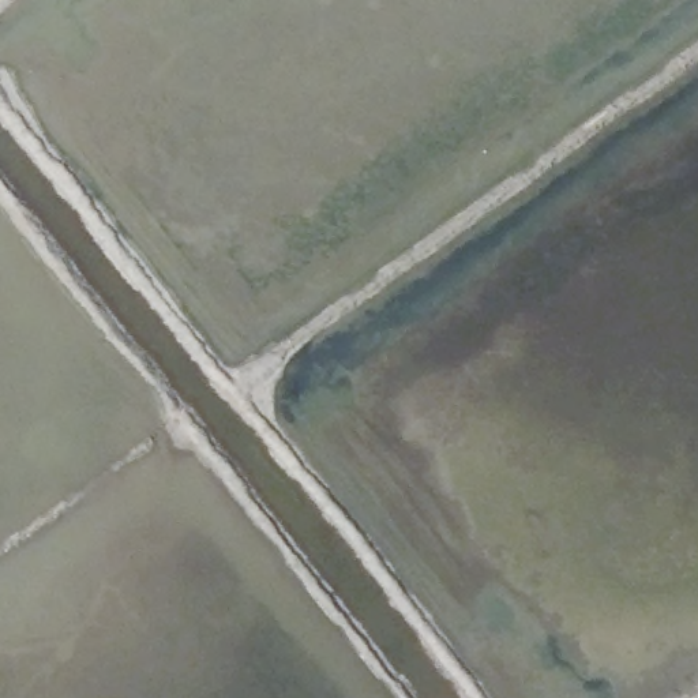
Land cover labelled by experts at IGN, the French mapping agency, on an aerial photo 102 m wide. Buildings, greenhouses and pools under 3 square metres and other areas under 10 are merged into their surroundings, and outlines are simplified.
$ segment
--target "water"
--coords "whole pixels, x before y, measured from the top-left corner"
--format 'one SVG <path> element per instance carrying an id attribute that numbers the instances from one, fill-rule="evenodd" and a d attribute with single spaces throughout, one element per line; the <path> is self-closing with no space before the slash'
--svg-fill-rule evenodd
<path id="1" fill-rule="evenodd" d="M 147 450 L 147 453 L 142 453 L 139 458 L 134 458 L 134 461 L 131 461 L 131 464 L 128 464 L 125 469 L 120 469 L 120 472 L 112 472 L 112 464 L 115 464 L 115 461 L 117 461 L 120 455 L 125 455 L 125 453 L 128 453 L 128 450 L 131 450 L 134 444 L 139 444 L 139 442 L 150 442 L 150 450 Z M 68 494 L 82 494 L 82 502 L 76 507 L 60 513 L 52 524 L 41 526 L 30 540 L 16 543 L 0 559 L 0 698 L 395 698 L 357 657 L 354 646 L 338 630 L 338 624 L 333 624 L 324 616 L 314 597 L 303 589 L 297 575 L 286 567 L 284 556 L 278 553 L 278 548 L 245 515 L 245 510 L 224 485 L 224 480 L 191 447 L 175 444 L 150 387 L 104 341 L 95 324 L 85 316 L 85 311 L 60 292 L 57 278 L 33 254 L 27 240 L 14 229 L 14 224 L 0 207 L 0 540 L 27 526 L 35 515 L 46 513 Z"/>
<path id="2" fill-rule="evenodd" d="M 232 472 L 245 485 L 248 496 L 270 518 L 275 532 L 305 564 L 314 581 L 327 581 L 327 597 L 341 597 L 349 613 L 363 622 L 363 627 L 368 630 L 365 646 L 376 643 L 393 663 L 393 668 L 412 682 L 404 690 L 409 698 L 461 698 L 455 684 L 439 671 L 434 657 L 420 643 L 417 633 L 390 605 L 382 586 L 363 567 L 349 543 L 338 534 L 338 529 L 324 521 L 322 510 L 300 488 L 300 483 L 292 480 L 275 464 L 267 444 L 256 436 L 256 431 L 248 423 L 243 423 L 243 417 L 213 390 L 207 376 L 177 344 L 175 333 L 164 324 L 164 319 L 104 256 L 101 245 L 82 224 L 79 213 L 55 191 L 49 177 L 0 125 L 0 180 L 38 224 L 49 248 L 65 262 L 68 273 L 104 311 L 112 330 L 142 354 L 145 365 L 153 374 L 166 379 L 175 406 L 188 409 L 191 423 L 207 436 L 210 447 L 232 466 Z"/>
<path id="3" fill-rule="evenodd" d="M 553 164 L 526 191 L 485 213 L 472 229 L 461 232 L 431 259 L 398 275 L 379 297 L 354 308 L 333 330 L 311 338 L 286 363 L 275 384 L 275 414 L 286 425 L 284 447 L 314 477 L 314 483 L 344 513 L 344 518 L 357 529 L 357 534 L 374 551 L 379 564 L 398 583 L 404 597 L 431 627 L 431 633 L 442 641 L 442 646 L 450 652 L 458 668 L 474 682 L 483 698 L 698 698 L 698 65 L 693 65 L 671 87 L 660 90 L 652 101 L 603 125 L 583 147 L 570 153 L 562 164 Z"/>
<path id="4" fill-rule="evenodd" d="M 581 123 L 586 123 L 592 115 L 597 115 L 603 106 L 624 95 L 627 90 L 635 90 L 643 82 L 649 82 L 654 74 L 665 68 L 668 60 L 673 60 L 679 52 L 698 41 L 698 0 L 0 0 L 0 68 L 5 68 L 14 76 L 19 95 L 33 109 L 44 131 L 44 139 L 38 145 L 52 145 L 60 158 L 57 164 L 71 175 L 79 191 L 87 196 L 87 202 L 98 202 L 101 207 L 106 207 L 106 213 L 112 215 L 109 232 L 115 234 L 115 240 L 131 240 L 139 254 L 145 254 L 155 278 L 172 292 L 175 303 L 180 305 L 180 314 L 185 316 L 185 324 L 202 344 L 202 349 L 213 357 L 213 363 L 218 368 L 240 368 L 267 354 L 270 346 L 286 341 L 292 333 L 297 333 L 303 324 L 308 324 L 344 294 L 363 289 L 384 264 L 412 251 L 414 243 L 425 240 L 431 232 L 455 218 L 472 202 L 483 199 L 507 177 L 529 169 L 570 131 L 575 131 Z"/>

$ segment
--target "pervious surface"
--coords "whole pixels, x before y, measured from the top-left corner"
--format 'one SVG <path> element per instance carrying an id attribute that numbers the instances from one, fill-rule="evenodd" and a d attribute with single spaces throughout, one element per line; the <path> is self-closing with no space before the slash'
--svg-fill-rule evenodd
<path id="1" fill-rule="evenodd" d="M 60 513 L 76 507 L 82 502 L 82 494 L 68 494 L 46 513 L 35 515 L 27 526 L 0 540 L 0 559 L 16 543 L 30 540 L 41 526 L 52 524 Z"/>
<path id="2" fill-rule="evenodd" d="M 338 534 L 349 543 L 363 567 L 382 586 L 390 605 L 417 633 L 420 643 L 434 657 L 439 671 L 455 684 L 461 698 L 483 698 L 474 682 L 458 668 L 450 652 L 442 646 L 442 641 L 431 633 L 431 627 L 404 597 L 398 583 L 379 564 L 374 551 L 357 534 L 357 529 L 344 518 L 344 513 L 314 483 L 314 477 L 284 447 L 286 425 L 275 414 L 275 384 L 286 363 L 311 338 L 333 330 L 354 308 L 379 297 L 398 275 L 431 259 L 461 232 L 472 229 L 485 213 L 526 191 L 553 164 L 562 164 L 570 153 L 583 147 L 603 125 L 652 101 L 660 90 L 671 87 L 693 65 L 698 65 L 698 41 L 679 52 L 673 60 L 668 60 L 665 68 L 654 74 L 649 82 L 643 82 L 635 90 L 627 90 L 624 95 L 603 106 L 597 115 L 592 115 L 586 123 L 581 123 L 575 131 L 570 131 L 529 169 L 507 177 L 483 199 L 472 202 L 455 218 L 431 232 L 425 240 L 414 243 L 412 251 L 384 264 L 363 289 L 344 294 L 308 324 L 303 324 L 297 333 L 292 333 L 286 341 L 270 346 L 267 354 L 240 368 L 218 368 L 213 363 L 213 357 L 202 349 L 202 344 L 185 324 L 185 316 L 180 314 L 180 305 L 175 303 L 172 292 L 155 278 L 145 254 L 139 254 L 131 240 L 115 240 L 115 234 L 109 232 L 112 215 L 106 213 L 106 207 L 101 207 L 98 202 L 87 202 L 87 196 L 79 191 L 71 175 L 57 164 L 60 158 L 52 145 L 38 145 L 44 139 L 44 131 L 33 109 L 19 95 L 14 76 L 5 68 L 0 68 L 0 125 L 49 177 L 55 191 L 79 213 L 82 224 L 101 245 L 104 256 L 164 319 L 164 324 L 175 333 L 177 344 L 207 376 L 213 390 L 243 417 L 243 423 L 248 423 L 256 431 L 256 436 L 267 444 L 275 464 L 292 480 L 300 483 L 300 488 L 322 510 L 324 521 L 338 529 Z"/>
<path id="3" fill-rule="evenodd" d="M 120 455 L 117 461 L 115 461 L 115 464 L 112 464 L 112 472 L 120 472 L 120 469 L 125 469 L 128 464 L 131 464 L 131 461 L 134 461 L 134 458 L 139 458 L 142 453 L 147 453 L 147 450 L 150 450 L 150 442 L 139 442 L 139 444 L 134 444 L 131 450 L 128 450 L 128 453 L 125 453 L 125 455 Z"/>
<path id="4" fill-rule="evenodd" d="M 112 330 L 104 311 L 68 273 L 65 262 L 49 248 L 38 224 L 0 180 L 0 207 L 14 224 L 14 229 L 27 240 L 33 254 L 57 278 L 60 292 L 85 311 L 85 316 L 95 324 L 104 341 L 150 387 L 175 444 L 191 447 L 224 480 L 224 485 L 245 510 L 245 515 L 278 548 L 278 553 L 284 556 L 286 567 L 297 575 L 303 589 L 314 597 L 324 616 L 333 624 L 338 624 L 338 630 L 354 646 L 357 657 L 395 698 L 409 698 L 404 690 L 412 682 L 393 668 L 393 663 L 376 643 L 365 646 L 368 630 L 363 627 L 363 622 L 349 613 L 341 597 L 327 597 L 327 581 L 314 581 L 305 564 L 275 532 L 270 518 L 248 496 L 245 485 L 232 472 L 232 466 L 210 447 L 207 436 L 191 423 L 188 409 L 175 406 L 166 379 L 153 374 L 145 365 L 142 354 Z"/>

